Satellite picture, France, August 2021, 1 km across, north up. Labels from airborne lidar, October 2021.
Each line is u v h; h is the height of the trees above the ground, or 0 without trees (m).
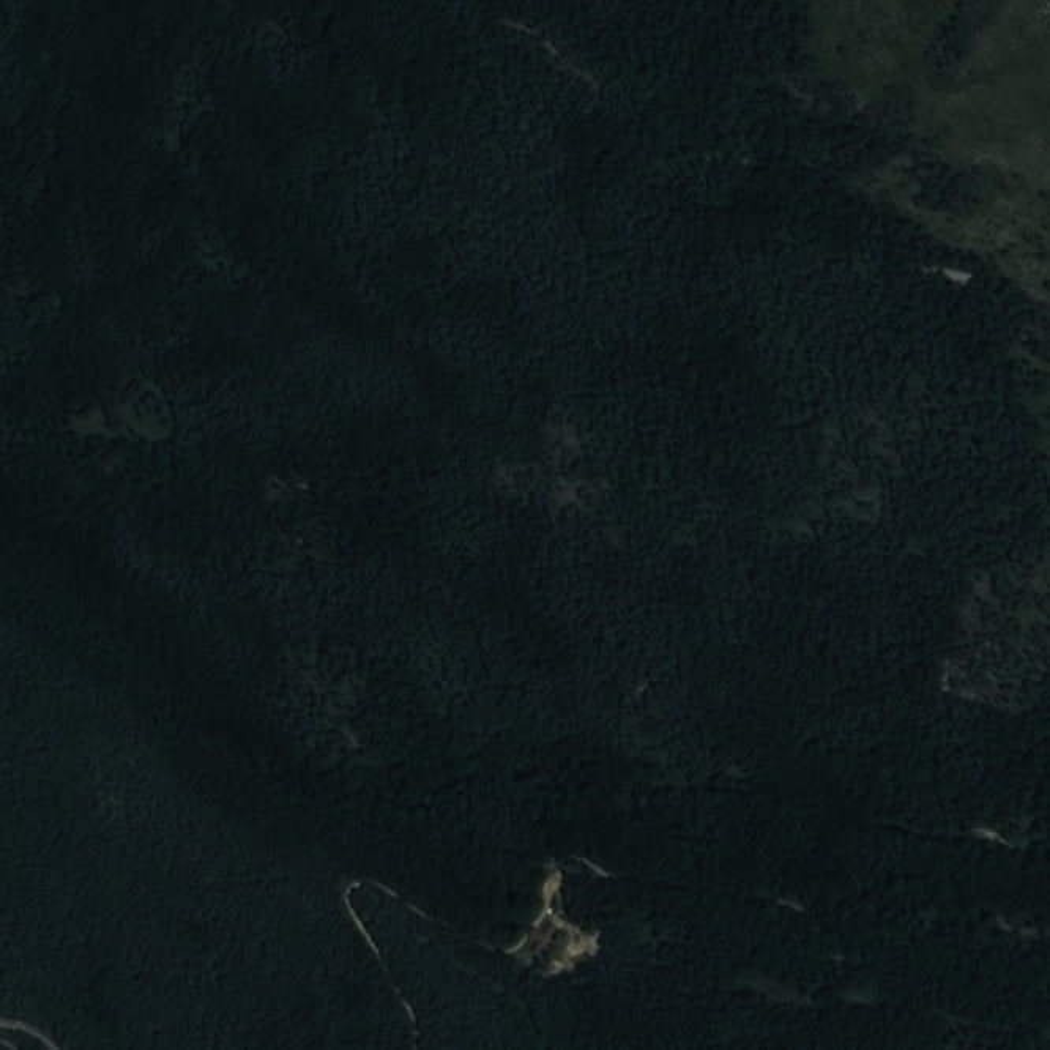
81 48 15
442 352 18
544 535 15
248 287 14
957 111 0
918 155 9
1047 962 22
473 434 14
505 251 11
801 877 21
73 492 17
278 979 15
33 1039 12
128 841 13
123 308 21
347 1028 17
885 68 0
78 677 11
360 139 13
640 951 10
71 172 17
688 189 20
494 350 10
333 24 18
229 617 23
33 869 14
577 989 13
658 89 17
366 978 11
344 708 15
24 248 22
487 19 17
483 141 18
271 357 18
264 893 13
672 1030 18
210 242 14
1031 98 0
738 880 21
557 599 14
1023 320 11
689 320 11
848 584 15
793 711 17
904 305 15
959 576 12
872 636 12
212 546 22
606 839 24
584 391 9
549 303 16
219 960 11
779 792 27
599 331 9
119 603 25
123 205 11
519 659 24
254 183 14
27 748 12
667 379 21
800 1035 17
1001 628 8
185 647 26
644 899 18
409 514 17
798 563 12
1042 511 8
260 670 17
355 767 6
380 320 20
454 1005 13
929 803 12
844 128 7
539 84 14
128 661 21
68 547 22
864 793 12
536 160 13
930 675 22
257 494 17
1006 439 18
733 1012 19
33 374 17
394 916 10
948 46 7
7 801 13
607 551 12
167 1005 14
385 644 19
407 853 18
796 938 16
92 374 17
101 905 14
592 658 16
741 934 13
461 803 18
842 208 18
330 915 11
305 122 16
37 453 17
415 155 17
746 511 12
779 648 17
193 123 14
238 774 19
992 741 18
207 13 16
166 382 14
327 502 20
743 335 11
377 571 12
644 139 20
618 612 14
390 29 15
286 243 21
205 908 14
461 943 14
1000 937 16
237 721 30
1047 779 9
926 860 17
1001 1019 11
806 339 10
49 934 12
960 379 11
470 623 11
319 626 12
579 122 20
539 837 26
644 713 9
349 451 13
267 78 18
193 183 15
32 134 19
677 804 15
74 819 13
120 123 16
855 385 21
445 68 16
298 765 26
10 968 9
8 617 17
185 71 11
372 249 17
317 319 20
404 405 17
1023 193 0
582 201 17
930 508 18
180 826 9
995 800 21
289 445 16
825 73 0
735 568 14
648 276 16
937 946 26
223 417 15
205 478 19
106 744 9
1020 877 25
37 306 15
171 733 14
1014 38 0
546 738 17
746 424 17
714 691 14
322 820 21
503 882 16
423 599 12
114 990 16
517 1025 13
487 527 17
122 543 9
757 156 10
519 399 16
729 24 11
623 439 11
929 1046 14
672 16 16
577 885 16
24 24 14
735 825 22
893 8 0
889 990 13
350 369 13
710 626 13
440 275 14
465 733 11
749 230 21
